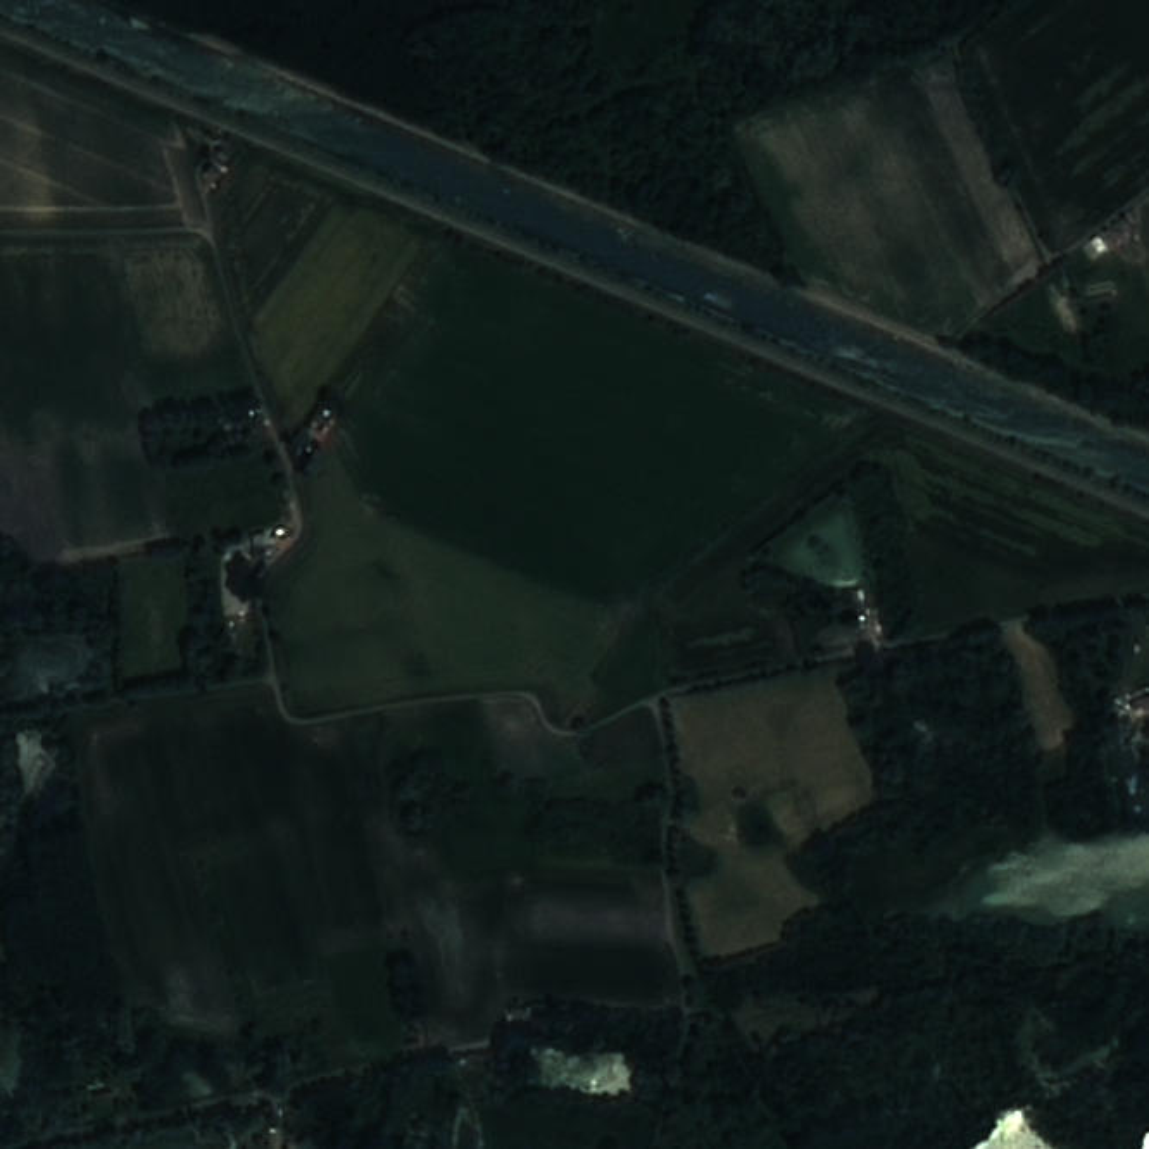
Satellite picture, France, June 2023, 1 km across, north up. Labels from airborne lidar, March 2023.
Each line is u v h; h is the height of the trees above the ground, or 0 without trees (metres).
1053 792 8
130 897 0
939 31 16
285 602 0
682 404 0
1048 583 0
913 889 0
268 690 0
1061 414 0
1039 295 0
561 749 0
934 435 0
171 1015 0
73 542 0
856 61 25
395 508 0
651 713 0
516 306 0
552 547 0
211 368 0
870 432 0
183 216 0
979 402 0
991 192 0
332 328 0
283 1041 7
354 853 0
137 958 0
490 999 0
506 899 0
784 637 0
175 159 0
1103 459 0
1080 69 0
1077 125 0
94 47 0
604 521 0
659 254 0
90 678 11
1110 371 0
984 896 0
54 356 0
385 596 0
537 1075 0
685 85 5
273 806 0
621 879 0
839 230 0
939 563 0
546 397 0
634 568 0
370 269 0
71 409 0
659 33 0
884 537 7
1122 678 0
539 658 0
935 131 0
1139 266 0
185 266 0
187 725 0
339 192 0
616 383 0
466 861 0
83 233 0
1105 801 19
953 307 0
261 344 0
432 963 0
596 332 0
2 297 0
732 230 9
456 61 20
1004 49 0
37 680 0
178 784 0
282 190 0
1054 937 13
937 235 0
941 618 0
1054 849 0
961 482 0
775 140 0
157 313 0
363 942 0
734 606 0
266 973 0
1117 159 0
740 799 0
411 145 0
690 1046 11
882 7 14
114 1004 26
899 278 0
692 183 17
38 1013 28
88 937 35
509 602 0
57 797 22
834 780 0
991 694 14
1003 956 11
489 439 0
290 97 0
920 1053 6
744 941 0
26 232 0
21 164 0
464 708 0
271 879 0
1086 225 0
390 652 0
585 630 0
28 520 0
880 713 9
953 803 10
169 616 0
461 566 0
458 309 0
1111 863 0
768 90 6
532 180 0
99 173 0
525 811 0
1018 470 0
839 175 0
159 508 0
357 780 0
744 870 0
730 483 0
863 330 0
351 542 0
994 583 0
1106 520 0
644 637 0
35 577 13
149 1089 27
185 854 0
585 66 11
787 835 0
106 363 0
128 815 0
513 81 20
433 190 0
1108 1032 12
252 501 0
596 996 0
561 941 0
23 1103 19
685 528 0
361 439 0
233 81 0
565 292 0
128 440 0
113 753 0
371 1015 0
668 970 0
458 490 0
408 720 0
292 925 0
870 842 9
